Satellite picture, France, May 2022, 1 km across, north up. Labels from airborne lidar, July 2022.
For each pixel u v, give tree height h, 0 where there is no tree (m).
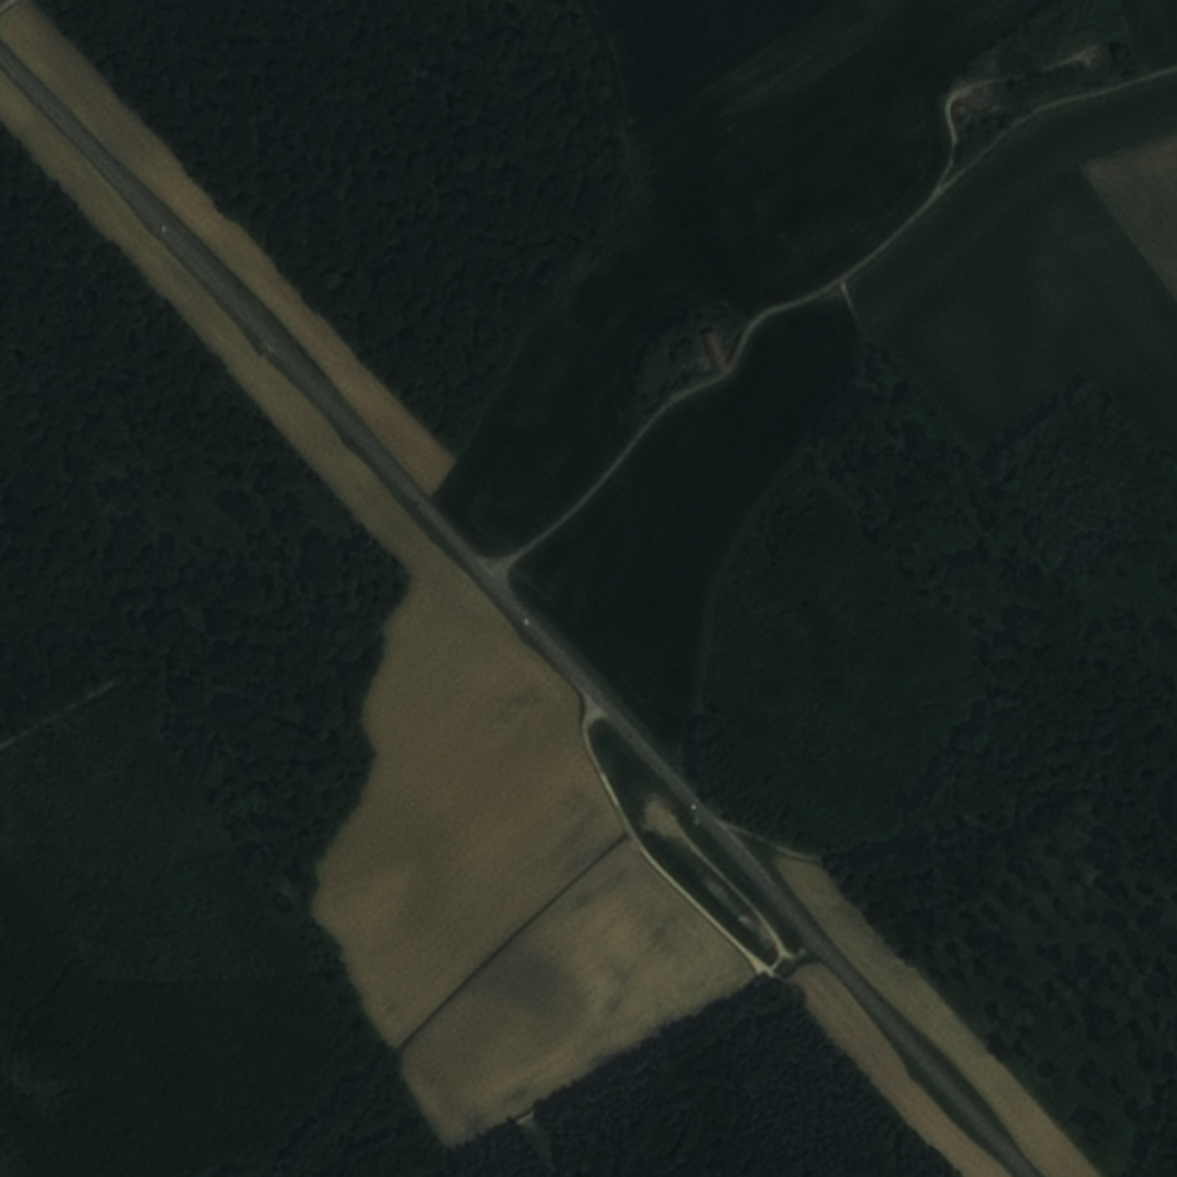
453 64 30
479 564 0
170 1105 9
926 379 0
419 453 0
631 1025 0
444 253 24
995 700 24
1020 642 29
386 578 25
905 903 8
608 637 0
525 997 0
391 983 0
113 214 0
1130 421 16
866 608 6
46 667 28
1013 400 0
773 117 0
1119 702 28
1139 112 0
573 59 27
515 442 0
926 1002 0
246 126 29
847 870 23
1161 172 0
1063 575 24
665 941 0
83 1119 7
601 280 0
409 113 31
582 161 21
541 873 0
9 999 6
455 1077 0
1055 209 0
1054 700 27
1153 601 0
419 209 25
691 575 0
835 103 0
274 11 28
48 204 25
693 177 0
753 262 0
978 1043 0
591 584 0
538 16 24
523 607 0
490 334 27
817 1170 27
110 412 31
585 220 27
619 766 0
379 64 28
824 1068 23
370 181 29
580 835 0
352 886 0
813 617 8
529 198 27
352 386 0
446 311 30
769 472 0
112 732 6
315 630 26
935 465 28
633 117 0
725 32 0
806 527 8
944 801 25
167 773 7
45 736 6
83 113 0
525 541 0
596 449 0
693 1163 25
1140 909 30
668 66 0
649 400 6
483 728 0
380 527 0
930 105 0
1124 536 22
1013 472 20
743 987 0
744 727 7
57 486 25
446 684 0
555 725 0
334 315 24
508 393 0
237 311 0
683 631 0
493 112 30
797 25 0
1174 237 0
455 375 26
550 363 0
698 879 0
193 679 11
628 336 0
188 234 0
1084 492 22
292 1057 10
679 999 0
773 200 0
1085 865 0
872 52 0
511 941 0
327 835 21
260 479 22
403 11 27
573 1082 0
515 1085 0
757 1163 26
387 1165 27
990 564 27
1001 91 0
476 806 0
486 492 0
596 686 0
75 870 6
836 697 7
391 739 0
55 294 23
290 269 23
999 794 23
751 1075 24
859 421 26
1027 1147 0
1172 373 0
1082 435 22
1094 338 0
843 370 0
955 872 34
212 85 28
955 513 24
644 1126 30
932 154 0
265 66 27
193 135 27
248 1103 7
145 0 28
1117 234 0
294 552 23
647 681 0
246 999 9
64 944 7
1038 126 0
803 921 0
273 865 33
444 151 29
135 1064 6
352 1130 11
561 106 17
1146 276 0
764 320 0
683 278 0
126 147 0
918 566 27
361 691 24
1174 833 22
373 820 0
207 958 7
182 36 30
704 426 0
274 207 13
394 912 0
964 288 0
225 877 7
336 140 28
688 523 0
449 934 0
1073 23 20
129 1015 10
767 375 0
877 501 26
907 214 0
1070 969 31
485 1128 0
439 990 0
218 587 29
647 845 0
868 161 0
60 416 25
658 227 0
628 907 0
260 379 0
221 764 29
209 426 29
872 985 0
